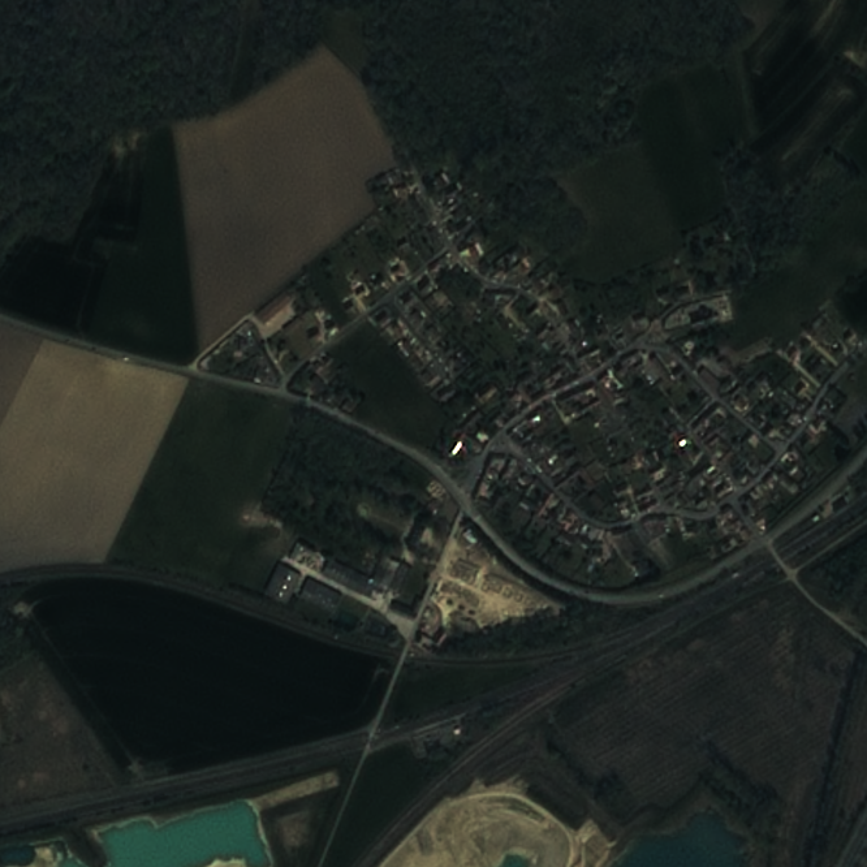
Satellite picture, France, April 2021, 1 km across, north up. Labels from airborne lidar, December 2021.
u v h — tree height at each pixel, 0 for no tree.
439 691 0
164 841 0
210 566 0
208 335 0
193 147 0
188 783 0
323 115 0
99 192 0
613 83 20
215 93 16
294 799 0
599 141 17
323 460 26
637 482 0
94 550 0
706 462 0
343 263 0
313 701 0
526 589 0
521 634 12
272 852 0
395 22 11
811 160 0
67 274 0
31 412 0
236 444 0
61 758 0
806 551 6
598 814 0
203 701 0
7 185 22
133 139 0
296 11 26
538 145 8
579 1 9
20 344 0
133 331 0
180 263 0
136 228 0
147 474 0
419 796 0
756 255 8
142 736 0
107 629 0
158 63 18
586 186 0
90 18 23
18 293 0
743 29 18
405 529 0
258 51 20
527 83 21
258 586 0
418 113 0
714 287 15
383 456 11
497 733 0
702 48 23
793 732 0
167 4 27
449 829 0
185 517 0
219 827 0
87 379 0
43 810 0
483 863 0
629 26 11
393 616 0
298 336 0
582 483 11
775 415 7
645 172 0
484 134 8
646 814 0
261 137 0
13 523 0
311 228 0
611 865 0
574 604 15
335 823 0
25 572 0
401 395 0
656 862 0
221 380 0
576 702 0
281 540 0
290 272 0
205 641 0
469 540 0
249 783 0
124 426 0
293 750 0
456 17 7
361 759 0
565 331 0
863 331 0
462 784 0
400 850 0
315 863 0
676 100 0
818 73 0
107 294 0
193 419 0
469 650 14
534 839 0
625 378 0
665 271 6
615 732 0
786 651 0
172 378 0
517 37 19
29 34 28
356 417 0
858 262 0
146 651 0
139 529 0
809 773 0
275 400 0
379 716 0
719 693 0
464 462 8
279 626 0
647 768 0
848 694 13
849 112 0
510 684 0
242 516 0
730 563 0
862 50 0
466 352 6
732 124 0
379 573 0
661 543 0
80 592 0
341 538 20
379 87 27
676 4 24
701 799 0
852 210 0
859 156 0
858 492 8
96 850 0
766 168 0
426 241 9
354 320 0
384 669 0
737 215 17
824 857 24
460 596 0
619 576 0
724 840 0
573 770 21
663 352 0
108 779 0
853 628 0
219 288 0
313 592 0
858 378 0
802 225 7
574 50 10
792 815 0
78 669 0
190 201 0
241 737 0
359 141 0
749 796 20
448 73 14
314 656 0
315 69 0
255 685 0
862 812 13
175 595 0
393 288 0
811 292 0
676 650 0
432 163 9
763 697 0
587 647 0
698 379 0
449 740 0
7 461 0
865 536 6
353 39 0
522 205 20
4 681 0
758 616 0
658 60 26
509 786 0
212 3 26
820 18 0
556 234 22
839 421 0
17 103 25
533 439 7
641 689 0
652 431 6
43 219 11
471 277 6
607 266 0
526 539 8
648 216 0
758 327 0
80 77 16
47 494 0
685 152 0
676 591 0
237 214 0
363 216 0
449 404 12
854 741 20
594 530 0
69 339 0
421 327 0
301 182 0
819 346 0
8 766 0
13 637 15
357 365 0
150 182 0
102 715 0
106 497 0
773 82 0
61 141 25
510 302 0
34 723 0
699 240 10
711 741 0
